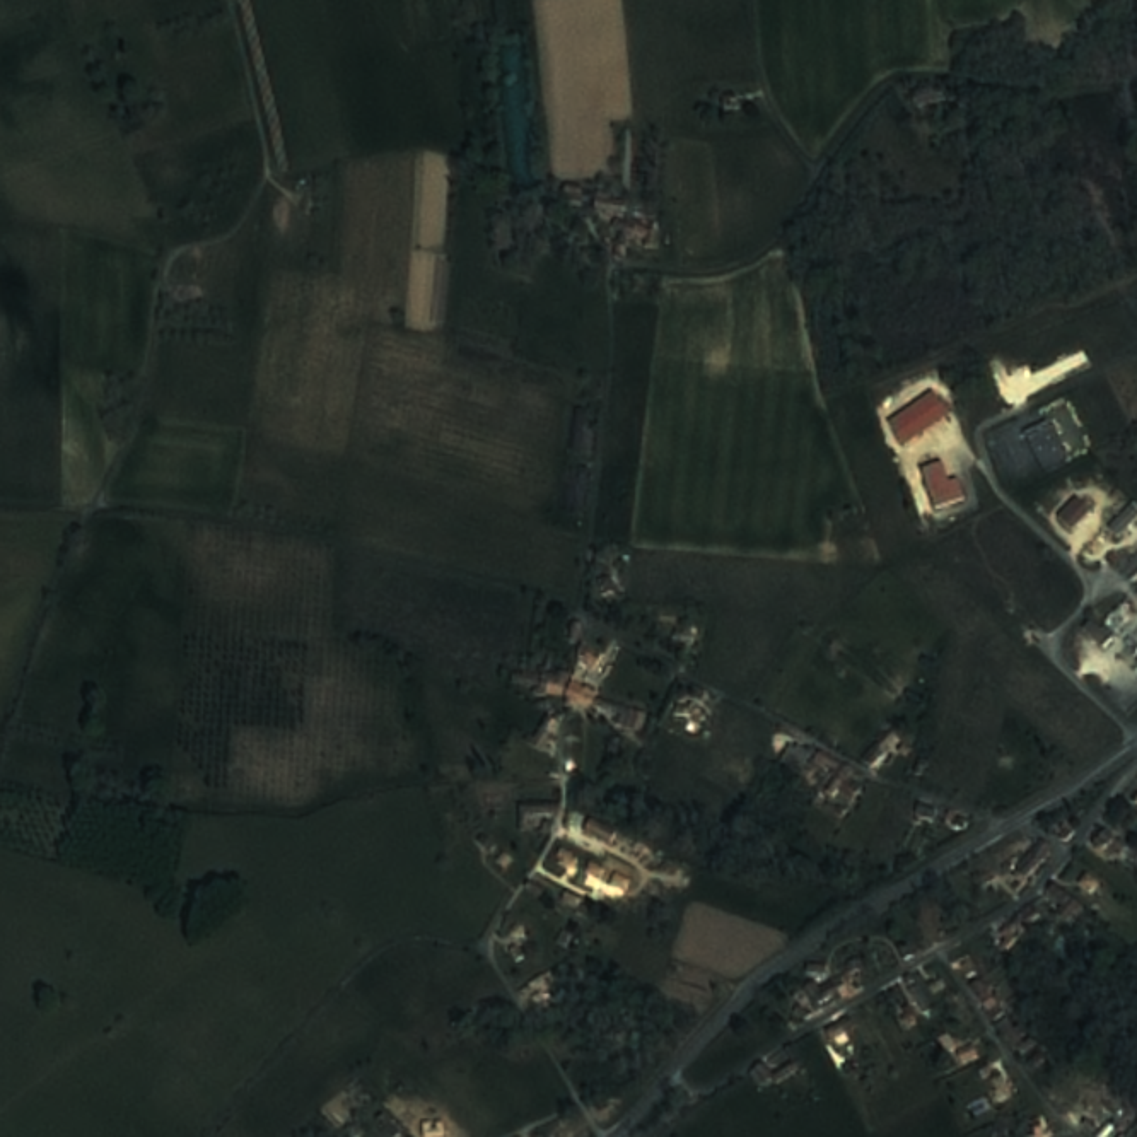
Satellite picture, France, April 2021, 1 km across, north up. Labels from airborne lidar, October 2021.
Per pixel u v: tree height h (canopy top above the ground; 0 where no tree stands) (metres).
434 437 8
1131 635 0
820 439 0
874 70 0
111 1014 0
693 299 0
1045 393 0
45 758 0
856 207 14
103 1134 0
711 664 0
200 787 0
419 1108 0
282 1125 0
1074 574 0
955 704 0
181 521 0
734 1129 0
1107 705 0
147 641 0
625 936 0
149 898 9
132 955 0
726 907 0
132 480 0
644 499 0
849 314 6
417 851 0
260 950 0
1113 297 0
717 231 0
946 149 9
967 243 16
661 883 0
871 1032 0
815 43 0
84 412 0
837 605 0
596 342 0
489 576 0
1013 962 13
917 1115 0
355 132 0
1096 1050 17
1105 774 0
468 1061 0
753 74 0
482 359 0
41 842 11
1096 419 0
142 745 0
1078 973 14
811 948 0
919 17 0
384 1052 0
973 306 20
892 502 0
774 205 0
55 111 0
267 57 0
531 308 0
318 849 0
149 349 0
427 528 0
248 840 0
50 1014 14
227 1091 0
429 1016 0
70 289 0
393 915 0
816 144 0
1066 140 6
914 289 9
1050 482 0
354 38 0
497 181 10
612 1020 20
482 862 0
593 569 9
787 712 0
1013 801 0
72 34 0
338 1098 0
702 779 0
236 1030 0
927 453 0
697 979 0
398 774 8
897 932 12
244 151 0
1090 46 17
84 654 0
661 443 0
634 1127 0
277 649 15
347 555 0
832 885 22
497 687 0
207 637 12
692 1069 0
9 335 0
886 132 0
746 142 0
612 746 11
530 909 0
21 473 0
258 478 0
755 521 0
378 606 0
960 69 10
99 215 0
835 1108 0
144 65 0
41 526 0
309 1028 0
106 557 0
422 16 0
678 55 0
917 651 0
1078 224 20
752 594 0
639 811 21
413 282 0
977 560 0
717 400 0
